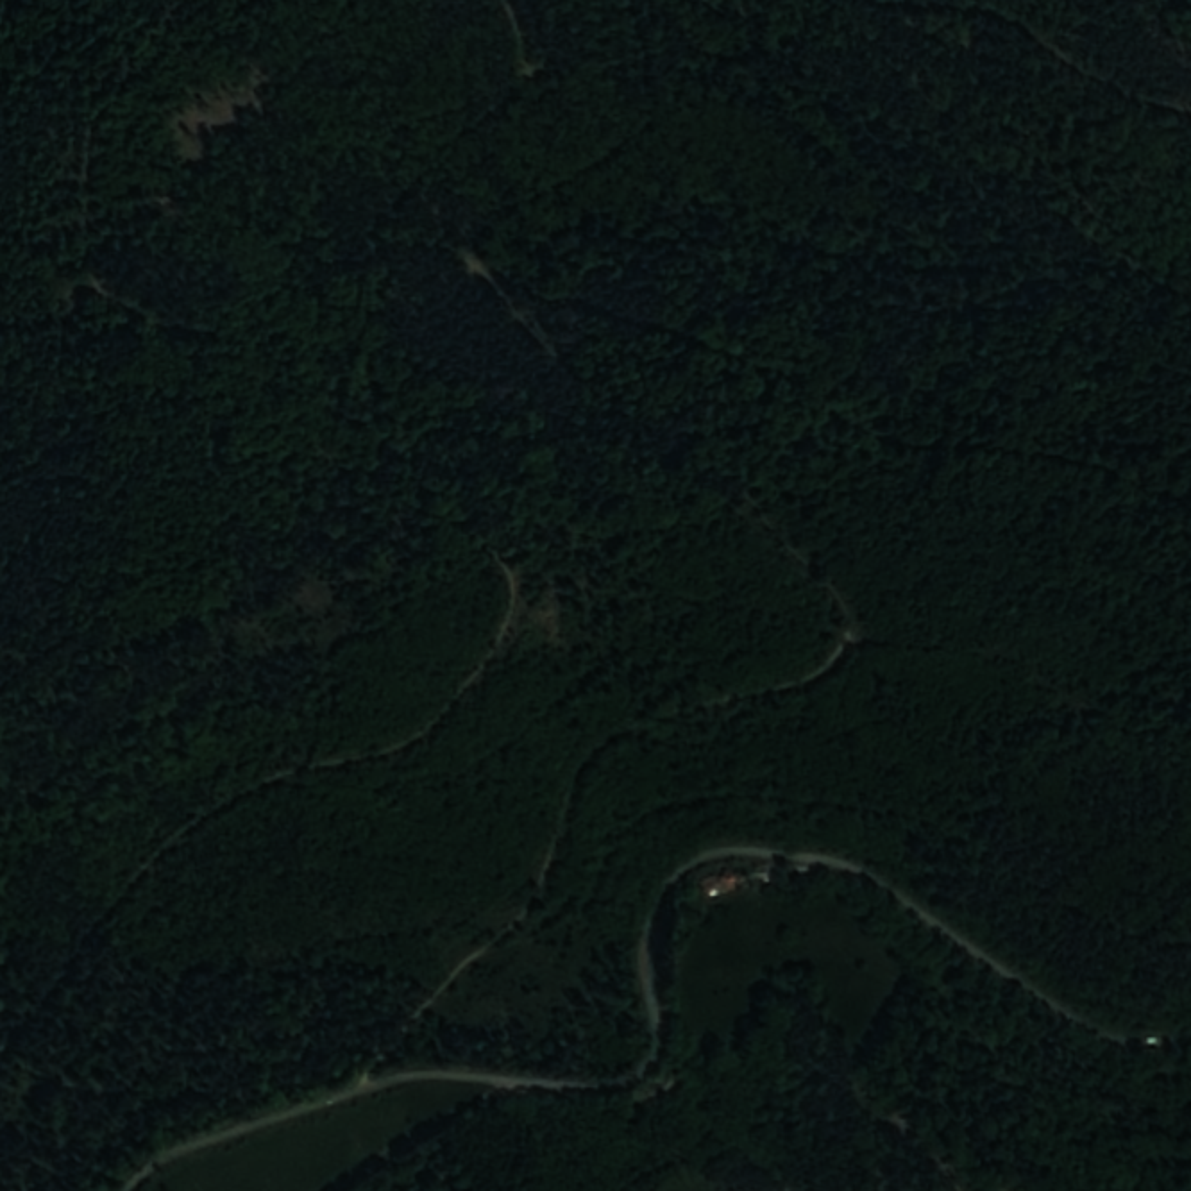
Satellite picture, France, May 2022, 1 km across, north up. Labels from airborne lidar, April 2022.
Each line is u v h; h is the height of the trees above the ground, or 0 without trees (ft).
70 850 45
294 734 31
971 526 52
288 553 98
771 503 40
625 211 84
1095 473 76
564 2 89
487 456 94
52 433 77
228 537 83
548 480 97
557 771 41
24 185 41
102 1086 98
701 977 0
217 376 91
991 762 30
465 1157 56
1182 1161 20
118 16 49
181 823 44
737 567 37
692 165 66
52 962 90
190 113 0
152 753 87
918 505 51
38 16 65
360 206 88
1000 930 73
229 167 91
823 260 53
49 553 57
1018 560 50
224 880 25
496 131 77
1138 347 105
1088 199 85
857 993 0
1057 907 78
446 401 98
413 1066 0
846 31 86
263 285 91
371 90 65
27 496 74
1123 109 79
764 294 106
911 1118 110
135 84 50
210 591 87
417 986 90
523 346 105
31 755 56
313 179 79
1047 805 71
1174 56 58
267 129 98
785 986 67
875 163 110
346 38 80
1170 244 85
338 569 35
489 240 117
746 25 110
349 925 45
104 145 65
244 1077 103
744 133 63
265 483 89
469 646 39
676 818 45
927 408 62
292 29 80
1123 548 52
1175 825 67
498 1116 52
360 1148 0
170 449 74
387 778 28
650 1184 58
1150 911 64
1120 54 85
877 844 50
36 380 74
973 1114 104
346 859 40
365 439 103
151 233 87
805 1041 110
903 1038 87
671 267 100
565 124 89
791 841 40
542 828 47
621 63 73
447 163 86
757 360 80
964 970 98
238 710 88
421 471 96
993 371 86
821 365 109
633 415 100
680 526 37
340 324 93
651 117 58
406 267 104
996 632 29
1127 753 67
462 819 39
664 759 43
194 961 39
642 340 100
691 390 105
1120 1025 38
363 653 28
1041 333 97
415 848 46
